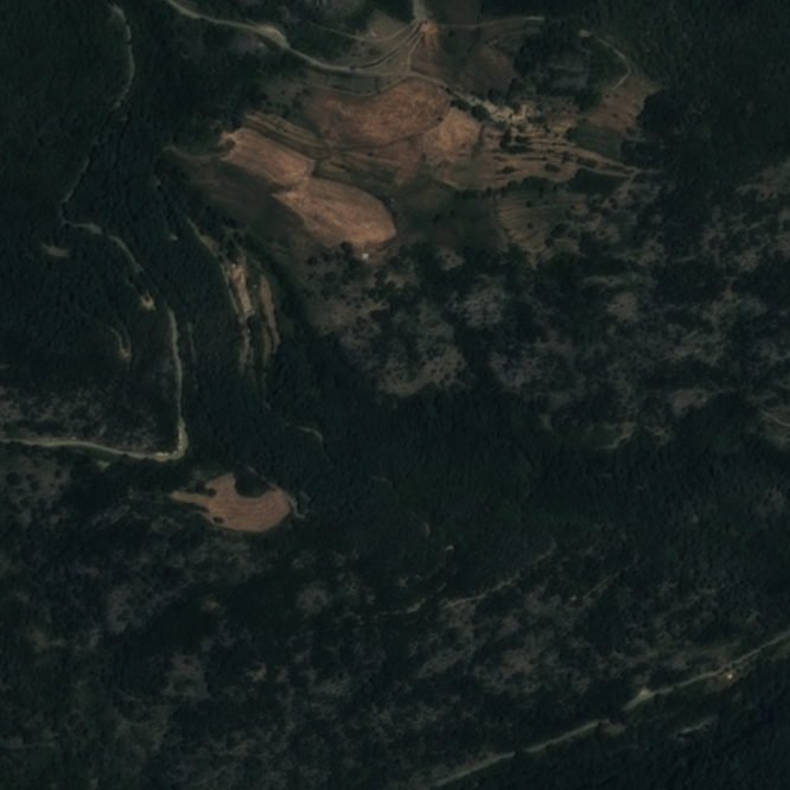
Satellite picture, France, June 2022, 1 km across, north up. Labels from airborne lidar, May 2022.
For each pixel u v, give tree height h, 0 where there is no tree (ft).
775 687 38
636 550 23
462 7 0
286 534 29
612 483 53
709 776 69
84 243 55
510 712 52
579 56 20
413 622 35
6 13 63
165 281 41
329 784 23
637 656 37
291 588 30
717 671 35
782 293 31
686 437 56
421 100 0
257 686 31
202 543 30
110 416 25
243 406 60
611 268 30
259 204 0
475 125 0
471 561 37
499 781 48
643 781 25
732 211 25
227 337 42
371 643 35
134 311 56
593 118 0
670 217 31
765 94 23
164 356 28
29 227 66
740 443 21
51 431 35
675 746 39
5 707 23
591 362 19
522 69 35
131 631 33
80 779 36
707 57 26
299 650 35
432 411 19
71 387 23
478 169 0
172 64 33
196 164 0
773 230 28
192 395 41
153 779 25
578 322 31
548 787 49
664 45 31
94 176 61
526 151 31
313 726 36
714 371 25
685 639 33
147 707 32
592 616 42
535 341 29
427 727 34
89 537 45
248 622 24
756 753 71
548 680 23
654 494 53
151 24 31
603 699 40
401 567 41
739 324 36
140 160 66
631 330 21
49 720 24
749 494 45
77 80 54
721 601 52
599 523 29
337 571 24
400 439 39
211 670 21
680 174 31
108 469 28
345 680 70
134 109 52
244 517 0
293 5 27
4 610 42
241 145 0
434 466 21
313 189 0
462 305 32
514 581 18
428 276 38
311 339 40
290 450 73
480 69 0
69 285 61
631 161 25
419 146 0
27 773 29
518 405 37
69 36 47
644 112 25
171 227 30
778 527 46
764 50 20
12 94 36
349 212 0
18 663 44
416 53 0
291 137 0
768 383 28
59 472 23
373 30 0
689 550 70
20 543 32
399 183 0
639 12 18
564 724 50
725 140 18
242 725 26
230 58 26
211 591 26
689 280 35
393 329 33
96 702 35
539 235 0
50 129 50
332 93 0
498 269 29
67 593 50
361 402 34
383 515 41
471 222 0
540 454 34
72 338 61
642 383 30
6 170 54
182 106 57
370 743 36
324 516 25
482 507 44
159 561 19
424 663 42
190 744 31
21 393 31
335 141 0
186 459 22
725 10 65
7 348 32
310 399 69
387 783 27
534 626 22
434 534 43
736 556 49
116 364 30
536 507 34
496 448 58
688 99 31
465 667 34
